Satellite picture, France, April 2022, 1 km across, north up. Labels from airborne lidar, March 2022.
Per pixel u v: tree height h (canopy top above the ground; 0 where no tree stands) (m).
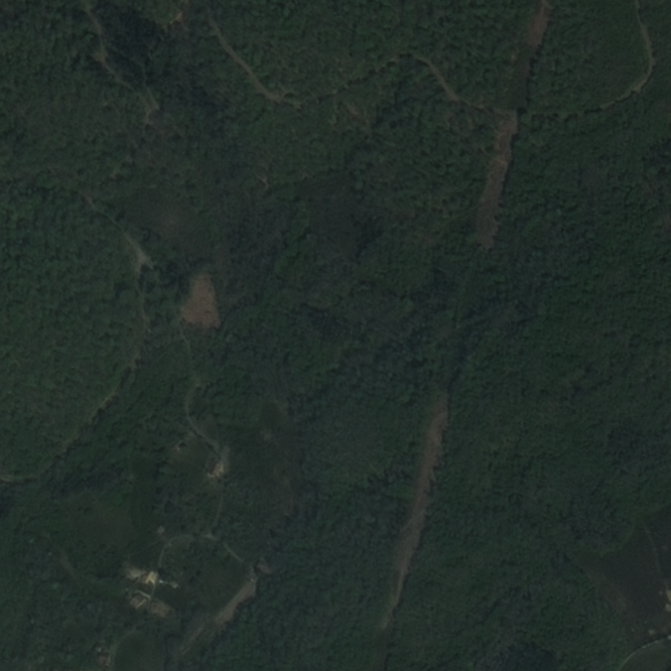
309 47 23
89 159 27
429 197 23
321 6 23
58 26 27
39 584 25
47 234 33
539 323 21
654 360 27
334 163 27
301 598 21
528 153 20
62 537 12
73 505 0
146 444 0
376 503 27
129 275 21
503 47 26
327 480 32
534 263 19
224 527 18
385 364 23
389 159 27
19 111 33
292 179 28
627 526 21
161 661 0
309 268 8
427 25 29
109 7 25
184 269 23
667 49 15
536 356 20
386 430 22
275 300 24
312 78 23
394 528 24
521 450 23
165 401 9
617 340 26
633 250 21
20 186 33
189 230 0
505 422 24
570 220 20
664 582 0
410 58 15
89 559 19
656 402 22
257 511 25
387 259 19
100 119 29
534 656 36
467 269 10
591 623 21
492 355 20
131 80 18
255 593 0
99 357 25
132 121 25
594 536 18
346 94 23
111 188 25
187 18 29
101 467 17
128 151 27
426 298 27
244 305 19
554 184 24
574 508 15
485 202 10
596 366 22
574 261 21
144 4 28
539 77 24
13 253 28
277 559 27
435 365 15
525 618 25
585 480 25
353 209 0
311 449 23
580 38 20
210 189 0
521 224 21
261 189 24
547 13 0
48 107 22
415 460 17
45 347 25
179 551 0
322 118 25
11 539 23
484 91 23
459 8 23
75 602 25
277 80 19
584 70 18
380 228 7
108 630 19
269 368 15
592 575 0
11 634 19
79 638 0
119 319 31
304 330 23
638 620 0
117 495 21
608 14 12
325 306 28
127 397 28
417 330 22
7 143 28
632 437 13
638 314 22
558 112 17
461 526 21
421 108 30
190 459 0
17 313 27
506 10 22
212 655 19
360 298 23
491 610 15
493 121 26
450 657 19
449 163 25
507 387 21
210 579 0
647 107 24
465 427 12
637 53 10
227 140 30
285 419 0
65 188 27
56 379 28
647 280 15
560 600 24
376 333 26
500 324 25
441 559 23
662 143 25
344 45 22
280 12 20
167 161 31
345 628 16
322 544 20
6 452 20
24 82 21
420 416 20
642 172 15
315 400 23
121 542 0
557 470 26
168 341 28
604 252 24
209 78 30
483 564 29
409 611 22
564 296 20
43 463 6
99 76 18
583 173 29
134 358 28
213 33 24
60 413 29
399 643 14
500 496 22
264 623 17
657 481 19
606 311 20
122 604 0
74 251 28
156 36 24
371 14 28
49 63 29
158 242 23
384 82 30
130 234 24
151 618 10
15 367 24
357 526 28
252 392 25
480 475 24
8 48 28
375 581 11
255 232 11
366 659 17
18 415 21
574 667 17
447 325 26
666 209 22
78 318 23
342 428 23
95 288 33
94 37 20
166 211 0
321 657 19
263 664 16
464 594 23
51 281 26
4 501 20
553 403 26
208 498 11
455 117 27
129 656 0
